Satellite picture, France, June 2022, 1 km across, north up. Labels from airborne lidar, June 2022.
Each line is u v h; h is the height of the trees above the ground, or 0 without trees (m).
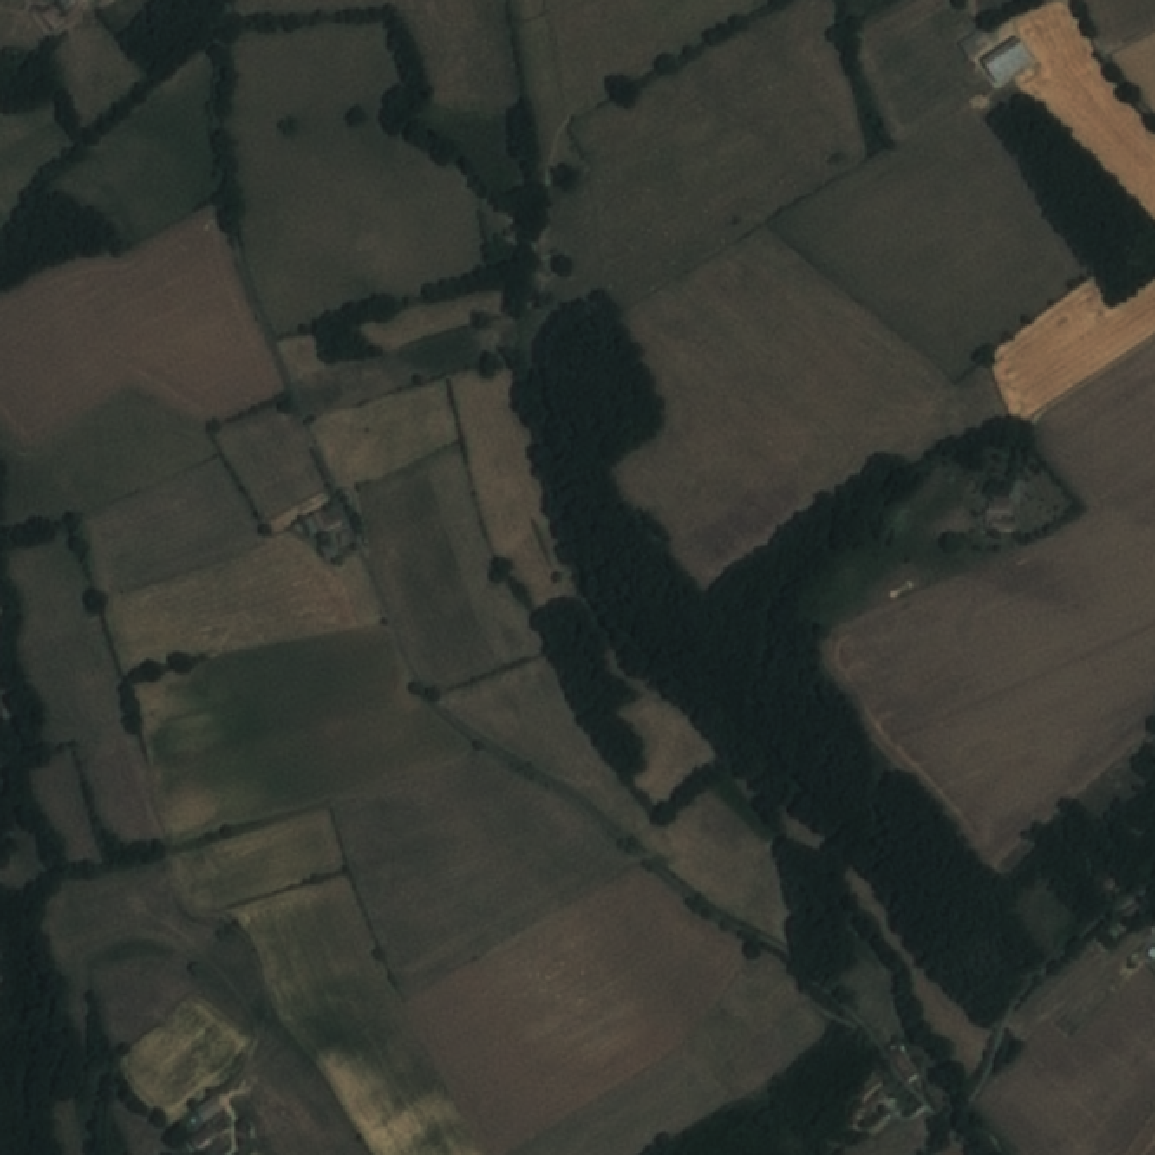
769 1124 18
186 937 0
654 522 20
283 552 0
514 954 0
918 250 0
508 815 0
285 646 0
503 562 17
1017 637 0
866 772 14
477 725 0
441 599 0
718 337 0
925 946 18
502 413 0
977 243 0
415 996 0
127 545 0
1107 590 0
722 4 0
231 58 9
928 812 14
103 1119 8
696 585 10
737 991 0
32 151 0
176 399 0
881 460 15
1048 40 0
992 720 0
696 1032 0
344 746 0
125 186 0
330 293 0
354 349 17
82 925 0
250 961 0
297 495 0
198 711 0
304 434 0
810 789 25
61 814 0
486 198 12
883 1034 0
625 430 21
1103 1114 0
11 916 17
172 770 0
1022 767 0
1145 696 0
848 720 20
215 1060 0
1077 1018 0
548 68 0
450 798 0
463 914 0
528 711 0
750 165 0
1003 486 10
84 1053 13
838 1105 7
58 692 0
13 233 14
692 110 0
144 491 0
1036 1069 0
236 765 0
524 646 0
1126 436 0
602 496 22
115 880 0
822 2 0
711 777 19
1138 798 8
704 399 0
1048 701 0
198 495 0
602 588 28
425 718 0
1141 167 0
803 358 0
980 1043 0
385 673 0
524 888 0
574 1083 0
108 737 0
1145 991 0
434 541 0
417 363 0
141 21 13
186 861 0
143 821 0
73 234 16
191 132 0
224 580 0
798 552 17
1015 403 0
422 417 0
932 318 0
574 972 0
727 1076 0
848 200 0
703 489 0
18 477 0
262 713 0
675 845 0
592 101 0
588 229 0
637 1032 0
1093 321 0
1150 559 0
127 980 0
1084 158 13
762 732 19
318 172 0
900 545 0
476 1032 0
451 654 0
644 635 17
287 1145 0
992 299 0
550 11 0
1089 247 13
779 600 12
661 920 0
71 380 0
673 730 0
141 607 0
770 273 0
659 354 0
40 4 0
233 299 0
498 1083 0
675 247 0
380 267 0
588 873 0
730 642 20
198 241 0
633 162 0
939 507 0
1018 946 14
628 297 0
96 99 0
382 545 0
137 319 0
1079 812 14
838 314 0
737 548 0
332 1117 0
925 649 0
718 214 0
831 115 0
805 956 18
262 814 0
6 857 14
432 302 16
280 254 0
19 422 0
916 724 0
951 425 0
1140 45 0
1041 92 0
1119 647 0
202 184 0
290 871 0
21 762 21
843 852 18
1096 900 17
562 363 22
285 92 0
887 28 0
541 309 16
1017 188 0
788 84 0
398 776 0
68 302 0
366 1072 0
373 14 15
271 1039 0
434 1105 0
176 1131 13
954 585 0
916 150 0
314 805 0
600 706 19
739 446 0
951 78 0
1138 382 0
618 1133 0
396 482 0
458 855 0
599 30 0
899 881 20
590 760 0
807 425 0
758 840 0
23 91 14
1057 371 0
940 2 0
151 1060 0
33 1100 25
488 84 0
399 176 0
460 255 0
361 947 0
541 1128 0
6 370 0
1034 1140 0
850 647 0
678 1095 0
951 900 16
